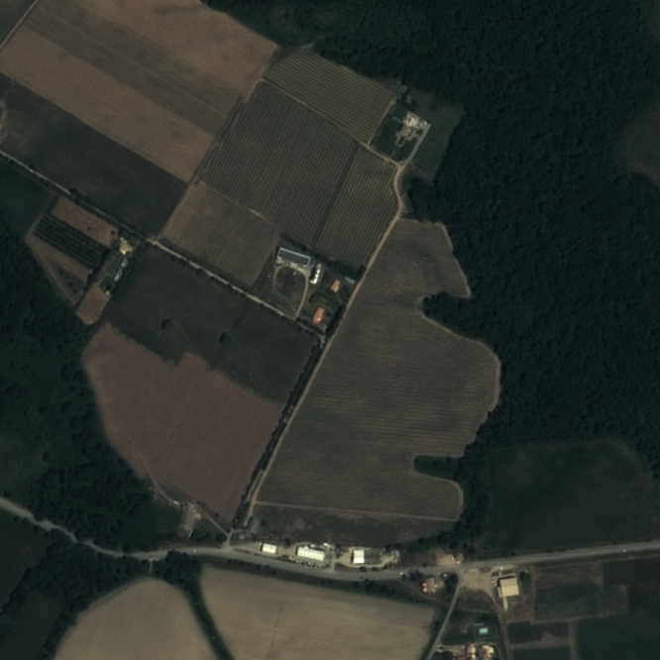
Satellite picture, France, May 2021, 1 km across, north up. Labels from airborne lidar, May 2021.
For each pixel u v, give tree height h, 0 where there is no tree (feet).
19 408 21
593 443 0
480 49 60
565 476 0
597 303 74
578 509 0
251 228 0
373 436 0
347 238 0
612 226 72
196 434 0
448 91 64
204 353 0
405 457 0
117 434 0
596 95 76
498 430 68
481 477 49
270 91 0
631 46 40
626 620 0
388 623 0
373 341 0
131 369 0
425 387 0
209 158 0
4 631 52
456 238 50
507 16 85
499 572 0
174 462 0
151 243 20
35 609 0
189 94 0
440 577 0
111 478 50
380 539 0
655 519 0
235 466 0
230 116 0
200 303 0
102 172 0
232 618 0
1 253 58
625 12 70
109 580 73
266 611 0
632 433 62
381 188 0
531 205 79
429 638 0
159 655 0
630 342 86
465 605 0
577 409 75
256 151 0
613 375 87
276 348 0
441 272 0
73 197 49
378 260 0
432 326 0
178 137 0
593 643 0
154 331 0
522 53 85
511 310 61
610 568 0
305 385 30
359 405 0
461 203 70
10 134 0
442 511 0
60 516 48
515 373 85
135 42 0
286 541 23
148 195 0
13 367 33
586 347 89
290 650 0
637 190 54
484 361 0
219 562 0
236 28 0
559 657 0
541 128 81
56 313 59
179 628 0
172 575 66
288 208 0
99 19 0
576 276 57
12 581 0
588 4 76
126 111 0
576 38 81
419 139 0
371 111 0
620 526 0
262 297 0
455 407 0
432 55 60
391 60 65
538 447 0
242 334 0
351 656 0
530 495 0
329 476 0
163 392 0
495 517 0
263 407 0
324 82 0
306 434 0
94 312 0
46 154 0
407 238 0
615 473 0
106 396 0
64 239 25
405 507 0
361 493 0
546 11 84
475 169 68
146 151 0
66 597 43
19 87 0
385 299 0
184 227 0
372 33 30
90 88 0
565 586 0
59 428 27
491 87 62
